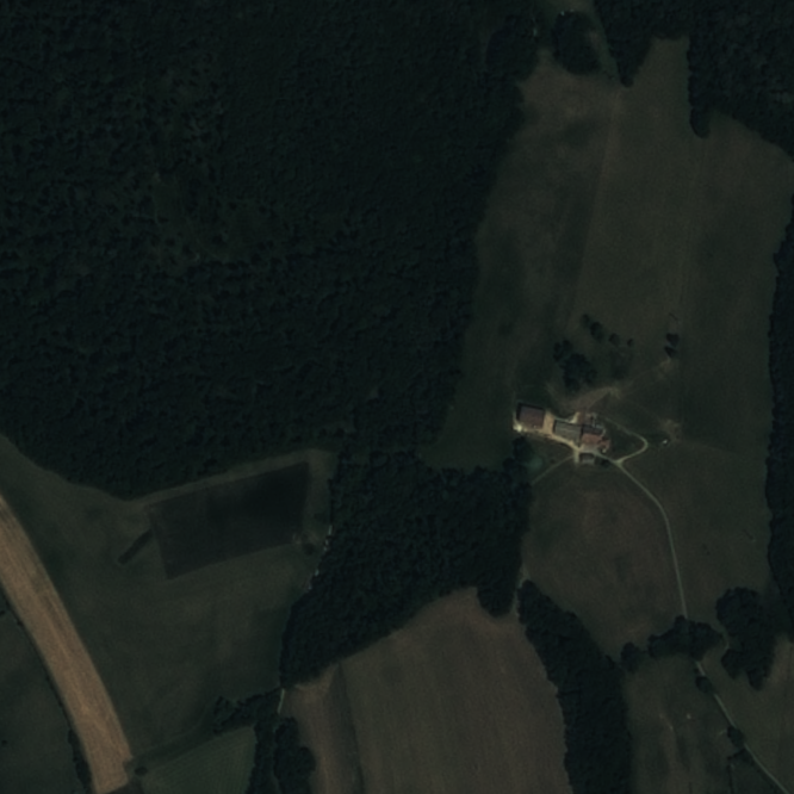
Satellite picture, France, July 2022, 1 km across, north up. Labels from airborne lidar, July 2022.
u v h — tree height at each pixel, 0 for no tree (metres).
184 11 20
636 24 25
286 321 23
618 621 0
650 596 0
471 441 0
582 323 0
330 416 24
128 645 0
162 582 0
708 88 16
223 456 20
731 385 0
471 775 0
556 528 0
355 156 21
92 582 0
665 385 0
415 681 0
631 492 0
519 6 23
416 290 25
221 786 0
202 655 0
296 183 15
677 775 0
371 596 31
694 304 0
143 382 20
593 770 25
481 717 0
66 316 27
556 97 0
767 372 0
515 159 0
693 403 0
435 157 22
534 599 20
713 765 0
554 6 0
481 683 0
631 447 0
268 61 13
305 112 19
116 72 29
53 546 0
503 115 24
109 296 23
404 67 24
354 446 23
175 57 22
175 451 20
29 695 0
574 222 0
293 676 19
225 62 14
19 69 22
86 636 0
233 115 13
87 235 24
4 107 22
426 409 26
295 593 0
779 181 0
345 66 20
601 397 0
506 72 15
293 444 16
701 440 0
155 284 18
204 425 22
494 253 0
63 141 24
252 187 14
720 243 0
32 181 23
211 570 0
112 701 0
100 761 0
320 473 0
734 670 12
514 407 0
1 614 7
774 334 12
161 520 0
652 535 0
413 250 22
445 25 28
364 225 20
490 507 30
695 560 0
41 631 0
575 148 0
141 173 23
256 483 0
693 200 0
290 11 12
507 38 25
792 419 20
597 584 0
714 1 25
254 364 21
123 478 20
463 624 0
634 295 0
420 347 23
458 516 30
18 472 0
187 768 0
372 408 19
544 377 0
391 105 22
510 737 0
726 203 0
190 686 0
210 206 6
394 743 0
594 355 0
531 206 0
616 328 0
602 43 0
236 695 0
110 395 25
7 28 23
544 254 0
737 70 20
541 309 0
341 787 0
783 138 18
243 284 23
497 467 0
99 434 24
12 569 0
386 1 21
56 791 0
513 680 0
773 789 6
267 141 14
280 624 0
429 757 0
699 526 0
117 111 26
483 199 23
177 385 21
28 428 19
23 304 25
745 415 0
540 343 0
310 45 12
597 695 32
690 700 0
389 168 20
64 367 27
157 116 25
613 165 0
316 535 0
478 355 0
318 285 18
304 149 23
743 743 15
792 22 20
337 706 0
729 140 0
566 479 0
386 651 0
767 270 0
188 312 19
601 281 0
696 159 0
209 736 0
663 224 0
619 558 0
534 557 0
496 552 28
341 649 23
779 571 15
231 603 0
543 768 0
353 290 22
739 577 0
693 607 0
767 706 0
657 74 0
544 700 0
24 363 25
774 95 23
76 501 0
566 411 0
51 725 0
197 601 0
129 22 28
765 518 0
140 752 0
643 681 0
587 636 28
